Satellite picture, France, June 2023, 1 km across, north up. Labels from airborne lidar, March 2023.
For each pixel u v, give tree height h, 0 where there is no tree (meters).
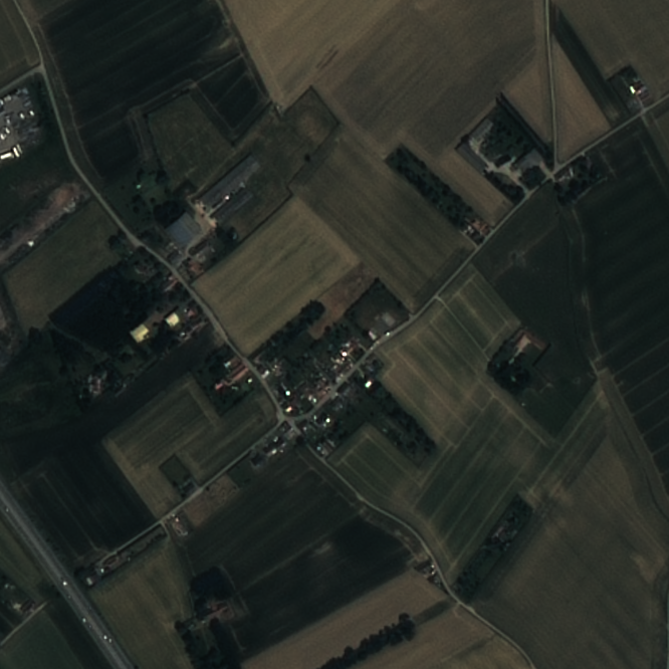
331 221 0
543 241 0
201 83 0
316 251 0
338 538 0
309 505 0
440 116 0
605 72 0
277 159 0
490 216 0
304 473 0
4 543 0
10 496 0
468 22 0
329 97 0
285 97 0
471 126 0
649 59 0
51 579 0
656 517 0
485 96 0
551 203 0
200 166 0
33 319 0
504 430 0
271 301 0
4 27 0
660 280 0
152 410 0
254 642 0
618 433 0
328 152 0
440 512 0
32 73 0
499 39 0
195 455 0
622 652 0
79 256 0
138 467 0
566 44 0
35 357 0
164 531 0
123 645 0
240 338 0
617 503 0
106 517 0
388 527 0
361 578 0
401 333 0
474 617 0
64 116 0
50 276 0
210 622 0
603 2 0
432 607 0
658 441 0
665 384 0
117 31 0
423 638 0
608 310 0
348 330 8
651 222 0
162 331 11
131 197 0
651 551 0
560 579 0
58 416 0
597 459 0
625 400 0
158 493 0
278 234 0
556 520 0
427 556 0
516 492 0
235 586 0
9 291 0
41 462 0
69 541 0
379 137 0
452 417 0
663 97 0
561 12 0
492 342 0
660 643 0
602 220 0
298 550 0
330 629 0
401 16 0
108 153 0
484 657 0
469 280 0
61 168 0
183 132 0
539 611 0
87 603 0
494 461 0
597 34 0
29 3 0
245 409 0
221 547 0
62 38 0
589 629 0
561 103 0
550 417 0
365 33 0
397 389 0
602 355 0
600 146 0
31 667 0
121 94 0
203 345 0
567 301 0
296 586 0
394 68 0
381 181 0
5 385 0
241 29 0
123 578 0
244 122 0
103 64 0
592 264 0
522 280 0
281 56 0
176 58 0
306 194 0
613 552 0
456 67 0
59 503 0
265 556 0
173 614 0
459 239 0
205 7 0
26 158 0
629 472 0
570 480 0
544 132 0
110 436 0
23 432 0
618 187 0
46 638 0
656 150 0
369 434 0
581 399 0
